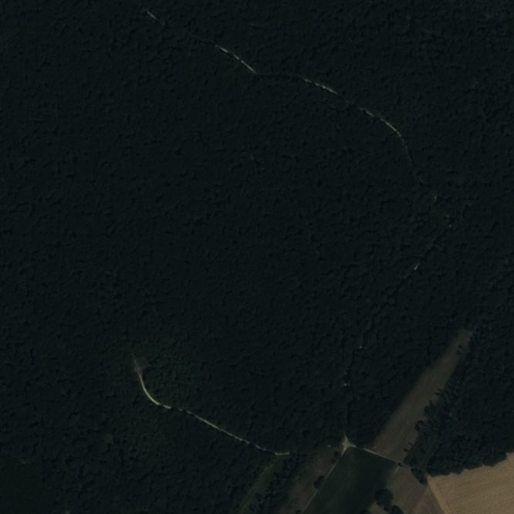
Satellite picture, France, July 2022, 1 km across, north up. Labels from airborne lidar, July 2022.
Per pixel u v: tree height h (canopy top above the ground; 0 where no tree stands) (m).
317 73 31
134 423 20
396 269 26
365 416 31
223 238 28
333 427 26
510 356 30
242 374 27
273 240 29
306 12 27
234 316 27
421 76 28
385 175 26
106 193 29
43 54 29
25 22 28
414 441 0
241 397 27
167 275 29
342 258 29
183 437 27
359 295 26
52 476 26
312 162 28
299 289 28
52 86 26
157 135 30
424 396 0
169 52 20
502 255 26
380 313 16
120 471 28
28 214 29
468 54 33
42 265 29
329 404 21
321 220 27
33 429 27
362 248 31
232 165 26
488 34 25
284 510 0
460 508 0
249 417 30
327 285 30
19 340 29
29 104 29
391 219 29
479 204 28
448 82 31
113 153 31
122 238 27
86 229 30
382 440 0
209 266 27
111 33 29
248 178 30
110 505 30
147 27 28
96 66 27
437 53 28
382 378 28
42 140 29
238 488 12
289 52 31
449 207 30
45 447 25
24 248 27
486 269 28
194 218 30
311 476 0
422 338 27
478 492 0
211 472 30
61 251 30
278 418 31
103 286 22
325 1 24
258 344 25
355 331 28
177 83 30
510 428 30
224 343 27
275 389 16
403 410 0
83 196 26
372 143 27
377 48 29
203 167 30
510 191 23
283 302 29
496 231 32
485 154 32
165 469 24
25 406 23
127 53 26
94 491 24
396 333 31
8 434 27
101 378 31
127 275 31
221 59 29
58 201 12
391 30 29
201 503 29
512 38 25
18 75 27
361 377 30
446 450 10
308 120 26
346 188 29
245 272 29
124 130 30
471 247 26
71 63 29
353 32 24
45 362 29
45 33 26
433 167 29
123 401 22
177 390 20
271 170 29
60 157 30
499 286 32
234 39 25
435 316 33
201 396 24
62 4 28
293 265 28
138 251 26
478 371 28
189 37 25
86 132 29
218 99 32
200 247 28
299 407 29
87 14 27
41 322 27
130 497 27
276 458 27
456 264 30
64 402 29
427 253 9
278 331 29
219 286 28
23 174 31
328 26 27
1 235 26
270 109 27
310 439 26
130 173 32
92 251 28
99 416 35
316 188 26
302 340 27
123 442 22
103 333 23
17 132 29
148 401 12
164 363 20
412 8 15
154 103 31
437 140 26
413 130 21
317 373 31
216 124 30
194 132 32
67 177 25
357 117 30
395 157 27
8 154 27
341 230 29
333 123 27
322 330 27
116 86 30
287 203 28
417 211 29
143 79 26
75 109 30
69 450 30
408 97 27
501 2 27
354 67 29
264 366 30
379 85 28
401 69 29
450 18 23
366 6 28
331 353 30
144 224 30
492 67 27
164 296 28
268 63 29
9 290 27
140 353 21
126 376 20
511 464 0
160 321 26
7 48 31
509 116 20
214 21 29
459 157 30
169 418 24
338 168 16
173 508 27
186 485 25
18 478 15
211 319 32
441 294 33
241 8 23
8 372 31
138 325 25
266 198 30
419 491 0
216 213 12
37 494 14
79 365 33
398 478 0
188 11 25
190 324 25
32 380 30
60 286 30
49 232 29
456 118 30
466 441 27
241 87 32
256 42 24
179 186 28
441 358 20
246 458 28
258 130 28
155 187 30
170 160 30
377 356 31
